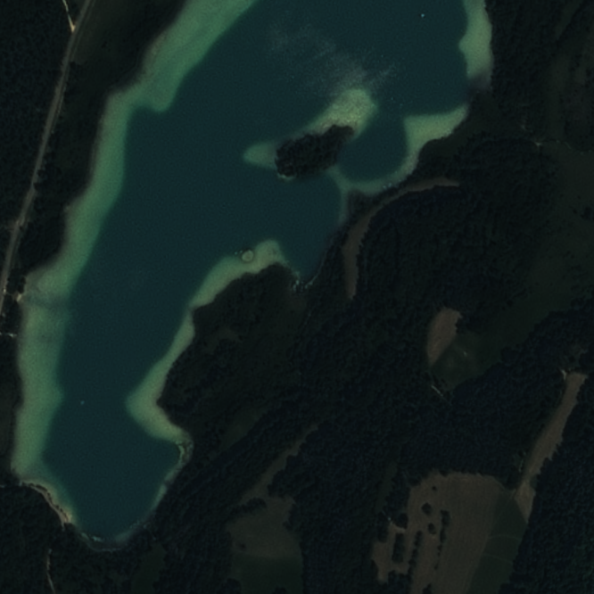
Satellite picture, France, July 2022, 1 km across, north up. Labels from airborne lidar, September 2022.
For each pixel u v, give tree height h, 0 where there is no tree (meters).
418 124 0
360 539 17
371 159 0
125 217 0
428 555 0
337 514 16
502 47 9
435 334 0
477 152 16
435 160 7
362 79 0
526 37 15
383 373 29
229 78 0
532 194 18
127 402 0
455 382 0
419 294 15
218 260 0
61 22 9
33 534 22
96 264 0
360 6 0
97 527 0
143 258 0
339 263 16
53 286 0
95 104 5
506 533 0
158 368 0
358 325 24
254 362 6
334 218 0
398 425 24
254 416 0
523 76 17
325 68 0
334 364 17
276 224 0
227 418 8
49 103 5
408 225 25
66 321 0
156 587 13
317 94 0
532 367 22
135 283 0
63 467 0
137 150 0
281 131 0
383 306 17
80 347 0
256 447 23
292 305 0
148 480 0
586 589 20
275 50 0
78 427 0
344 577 17
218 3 0
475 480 0
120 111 0
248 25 0
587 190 0
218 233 0
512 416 22
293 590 0
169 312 0
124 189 0
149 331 0
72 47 0
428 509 12
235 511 19
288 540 0
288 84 0
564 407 0
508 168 15
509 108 8
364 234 0
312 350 23
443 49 0
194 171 0
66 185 7
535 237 9
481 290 30
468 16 0
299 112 0
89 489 0
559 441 0
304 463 20
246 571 0
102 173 0
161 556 0
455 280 28
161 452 0
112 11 0
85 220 0
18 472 0
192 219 0
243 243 0
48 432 0
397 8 0
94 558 17
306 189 0
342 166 0
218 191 0
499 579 0
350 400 27
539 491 18
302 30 0
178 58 0
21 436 0
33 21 17
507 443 19
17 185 7
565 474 29
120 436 0
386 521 19
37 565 23
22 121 12
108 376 0
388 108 0
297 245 0
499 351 0
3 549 23
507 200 15
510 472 18
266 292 10
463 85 0
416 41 0
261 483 0
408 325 22
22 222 0
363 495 25
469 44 0
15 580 6
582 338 27
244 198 0
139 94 0
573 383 0
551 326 18
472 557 0
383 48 0
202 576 24
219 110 0
